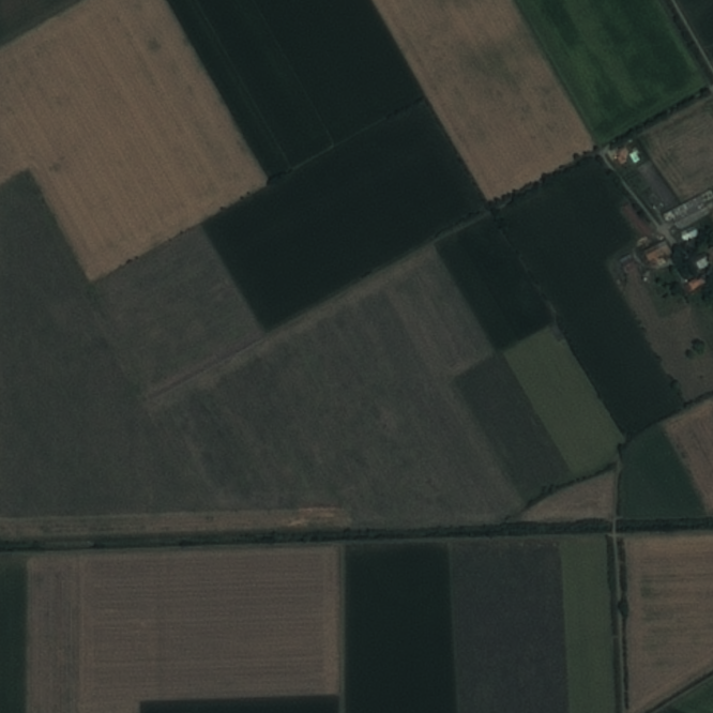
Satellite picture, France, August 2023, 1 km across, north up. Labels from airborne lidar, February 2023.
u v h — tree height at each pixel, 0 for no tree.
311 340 0
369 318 0
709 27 0
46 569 0
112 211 0
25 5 0
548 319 0
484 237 0
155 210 0
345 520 0
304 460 0
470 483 0
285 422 0
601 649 0
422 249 0
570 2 0
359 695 0
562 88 0
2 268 0
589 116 0
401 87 0
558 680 0
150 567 0
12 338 0
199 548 0
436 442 0
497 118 0
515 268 0
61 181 0
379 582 0
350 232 0
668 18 0
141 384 0
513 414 0
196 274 0
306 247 0
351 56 0
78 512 0
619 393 0
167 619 0
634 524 7
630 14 0
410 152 0
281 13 0
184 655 0
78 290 0
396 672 0
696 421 0
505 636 0
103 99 0
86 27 0
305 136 0
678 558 0
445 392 0
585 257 0
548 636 0
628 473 0
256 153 0
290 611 0
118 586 0
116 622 0
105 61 0
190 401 0
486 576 0
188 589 0
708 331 0
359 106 0
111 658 0
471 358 0
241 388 0
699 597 0
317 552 0
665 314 0
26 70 0
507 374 0
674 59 0
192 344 0
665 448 0
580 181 0
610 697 0
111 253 0
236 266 0
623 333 0
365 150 0
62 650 0
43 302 0
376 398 0
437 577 0
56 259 0
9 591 0
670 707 0
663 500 0
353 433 0
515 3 0
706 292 6
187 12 0
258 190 0
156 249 0
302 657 0
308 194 0
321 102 0
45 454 0
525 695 0
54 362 0
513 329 0
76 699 0
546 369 0
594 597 0
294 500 0
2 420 0
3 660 0
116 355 0
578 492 0
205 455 0
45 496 0
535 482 0
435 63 0
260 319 0
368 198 0
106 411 0
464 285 0
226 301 0
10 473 0
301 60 0
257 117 0
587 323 0
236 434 0
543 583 0
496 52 0
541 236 0
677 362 0
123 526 0
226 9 0
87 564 0
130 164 0
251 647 0
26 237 0
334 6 0
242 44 0
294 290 0
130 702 0
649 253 0
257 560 0
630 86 0
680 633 0
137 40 0
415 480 0
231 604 0
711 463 0
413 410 0
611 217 0
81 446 0
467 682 0
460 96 0
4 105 0
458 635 0
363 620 0
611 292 0
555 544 0
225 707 0
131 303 0
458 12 0
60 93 0
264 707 0
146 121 0
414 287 0
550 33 0
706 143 0
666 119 10
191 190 0
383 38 0
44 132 0
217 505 0
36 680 0
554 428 0
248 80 0
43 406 0
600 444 0
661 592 0
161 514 0
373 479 0
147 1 0
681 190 0
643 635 0
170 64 0
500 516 0
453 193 0
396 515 0
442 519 0
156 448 0
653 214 0
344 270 0
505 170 0
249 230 0
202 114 0
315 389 0
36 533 0
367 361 0
